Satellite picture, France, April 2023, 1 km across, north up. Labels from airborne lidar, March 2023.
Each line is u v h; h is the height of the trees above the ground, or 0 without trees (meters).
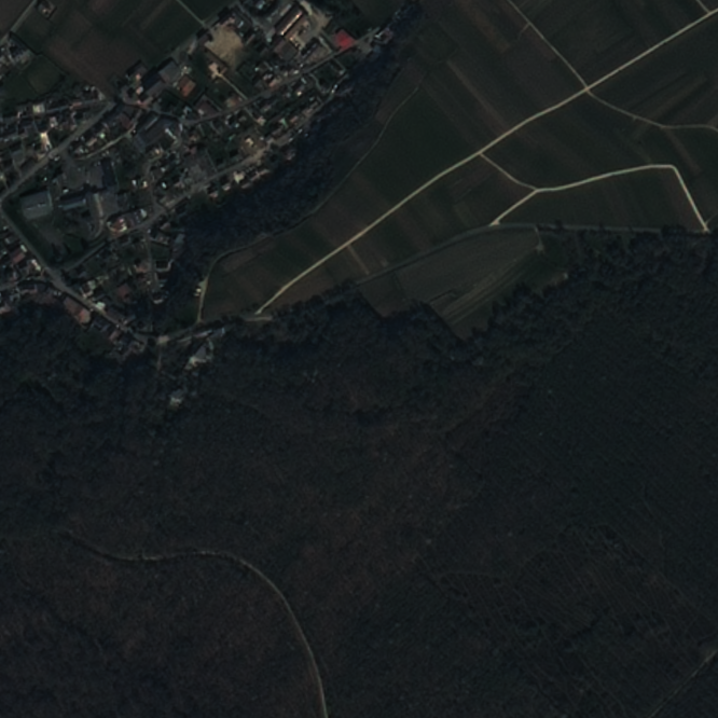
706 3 0
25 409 27
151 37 0
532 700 17
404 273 0
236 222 15
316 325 12
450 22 0
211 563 12
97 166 0
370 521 14
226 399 16
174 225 7
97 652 28
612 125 0
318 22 0
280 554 13
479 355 18
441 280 0
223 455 15
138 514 14
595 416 11
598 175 0
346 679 12
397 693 14
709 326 27
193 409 12
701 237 9
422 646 12
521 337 18
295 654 11
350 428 26
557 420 11
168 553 8
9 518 24
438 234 0
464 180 0
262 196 11
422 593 13
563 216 0
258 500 17
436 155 0
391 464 17
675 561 10
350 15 9
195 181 0
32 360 19
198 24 0
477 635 13
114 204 0
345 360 29
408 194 0
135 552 14
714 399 9
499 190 0
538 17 0
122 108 13
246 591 17
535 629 10
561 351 11
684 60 0
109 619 15
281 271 0
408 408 19
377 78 13
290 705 18
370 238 0
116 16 0
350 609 16
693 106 0
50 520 23
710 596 11
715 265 20
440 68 0
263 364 30
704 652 0
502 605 9
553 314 15
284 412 27
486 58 0
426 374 21
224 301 0
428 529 14
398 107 0
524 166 0
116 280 9
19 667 25
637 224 0
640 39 0
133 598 14
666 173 0
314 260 0
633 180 0
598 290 23
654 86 0
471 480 12
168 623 14
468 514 8
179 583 14
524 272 0
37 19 0
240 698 16
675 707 9
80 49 0
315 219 0
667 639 6
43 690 13
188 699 16
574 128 0
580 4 0
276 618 15
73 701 17
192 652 15
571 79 0
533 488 8
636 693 8
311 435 14
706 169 0
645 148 0
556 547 8
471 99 0
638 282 20
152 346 9
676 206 0
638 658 7
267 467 15
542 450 9
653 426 10
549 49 0
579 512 9
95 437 22
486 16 0
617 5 0
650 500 13
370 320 22
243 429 18
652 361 10
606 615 11
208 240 16
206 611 18
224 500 14
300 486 15
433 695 15
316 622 12
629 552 10
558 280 0
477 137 0
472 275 0
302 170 23
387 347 28
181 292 13
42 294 0
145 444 30
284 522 17
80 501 28
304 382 21
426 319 8
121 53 0
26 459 31
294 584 14
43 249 0
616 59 0
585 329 11
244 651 13
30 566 20
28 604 25
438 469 18
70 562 16
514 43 0
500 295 0
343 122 20
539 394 10
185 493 14
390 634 11
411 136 0
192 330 17
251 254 0
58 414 19
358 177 0
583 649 11
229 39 0
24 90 0
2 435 25
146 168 0
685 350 16
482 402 25
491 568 8
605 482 10
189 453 15
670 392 10
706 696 11
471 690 13
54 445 29
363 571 15
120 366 14
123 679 22
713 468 9
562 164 0
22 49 0
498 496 10
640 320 21
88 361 8
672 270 24
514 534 10
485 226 0
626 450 10
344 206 0
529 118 0
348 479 15
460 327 0
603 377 12
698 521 10
